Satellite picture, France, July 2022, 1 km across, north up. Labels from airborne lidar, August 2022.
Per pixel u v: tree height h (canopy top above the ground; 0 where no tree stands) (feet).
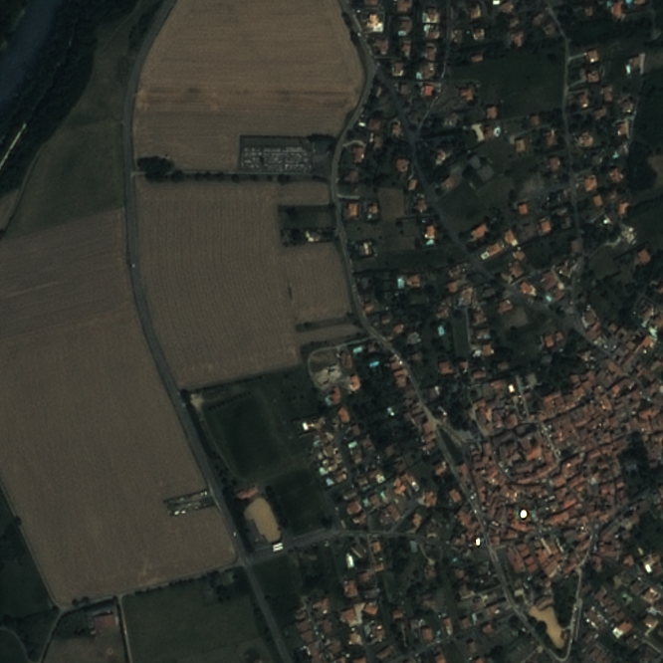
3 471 0
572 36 24
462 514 0
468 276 25
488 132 0
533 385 0
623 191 27
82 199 0
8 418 0
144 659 0
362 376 28
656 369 0
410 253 0
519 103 0
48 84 49
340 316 0
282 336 0
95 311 0
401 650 29
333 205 31
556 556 0
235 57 0
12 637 0
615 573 0
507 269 0
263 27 0
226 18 0
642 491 20
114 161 0
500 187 0
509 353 31
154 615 0
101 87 0
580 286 0
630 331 0
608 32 20
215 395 0
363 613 17
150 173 30
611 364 0
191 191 0
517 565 0
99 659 0
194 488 0
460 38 0
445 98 0
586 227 37
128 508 0
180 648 0
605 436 0
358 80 0
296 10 0
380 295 56
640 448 50
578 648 27
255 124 0
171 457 0
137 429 0
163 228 0
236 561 0
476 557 0
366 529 23
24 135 44
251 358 0
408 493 0
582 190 0
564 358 34
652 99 26
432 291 58
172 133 0
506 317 0
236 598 0
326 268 0
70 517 0
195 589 0
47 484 0
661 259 50
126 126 0
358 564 33
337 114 0
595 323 0
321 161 0
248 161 0
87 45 69
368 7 0
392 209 0
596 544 0
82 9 36
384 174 23
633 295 23
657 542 0
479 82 0
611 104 35
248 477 0
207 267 0
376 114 38
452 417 46
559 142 25
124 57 0
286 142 0
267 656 0
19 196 0
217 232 0
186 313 0
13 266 0
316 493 0
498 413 0
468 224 0
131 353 0
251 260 0
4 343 0
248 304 0
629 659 29
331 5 0
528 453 0
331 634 0
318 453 0
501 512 0
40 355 0
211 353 0
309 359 0
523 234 0
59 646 0
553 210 26
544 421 0
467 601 0
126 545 0
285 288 0
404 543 27
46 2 0
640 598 0
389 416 21
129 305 0
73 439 0
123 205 0
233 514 31
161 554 0
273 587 0
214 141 0
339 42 0
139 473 0
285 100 0
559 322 0
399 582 0
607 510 0
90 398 0
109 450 0
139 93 0
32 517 0
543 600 0
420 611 36
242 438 0
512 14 21
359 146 0
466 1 26
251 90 0
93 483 0
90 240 0
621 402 0
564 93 0
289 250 0
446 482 36
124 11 35
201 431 38
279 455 0
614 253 0
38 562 0
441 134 29
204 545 0
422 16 0
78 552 0
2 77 0
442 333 0
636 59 0
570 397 0
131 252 0
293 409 0
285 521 41
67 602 0
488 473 0
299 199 0
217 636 0
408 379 18
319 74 0
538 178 0
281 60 0
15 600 0
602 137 35
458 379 20
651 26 33
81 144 0
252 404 0
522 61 0
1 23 90
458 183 0
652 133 21
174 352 0
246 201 0
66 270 0
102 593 0
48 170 0
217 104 0
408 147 36
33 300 0
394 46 22
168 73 0
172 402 0
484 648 0
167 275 0
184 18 0
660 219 0
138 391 0
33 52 0
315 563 0
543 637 42
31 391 0
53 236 0
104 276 0
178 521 0
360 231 18
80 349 0
